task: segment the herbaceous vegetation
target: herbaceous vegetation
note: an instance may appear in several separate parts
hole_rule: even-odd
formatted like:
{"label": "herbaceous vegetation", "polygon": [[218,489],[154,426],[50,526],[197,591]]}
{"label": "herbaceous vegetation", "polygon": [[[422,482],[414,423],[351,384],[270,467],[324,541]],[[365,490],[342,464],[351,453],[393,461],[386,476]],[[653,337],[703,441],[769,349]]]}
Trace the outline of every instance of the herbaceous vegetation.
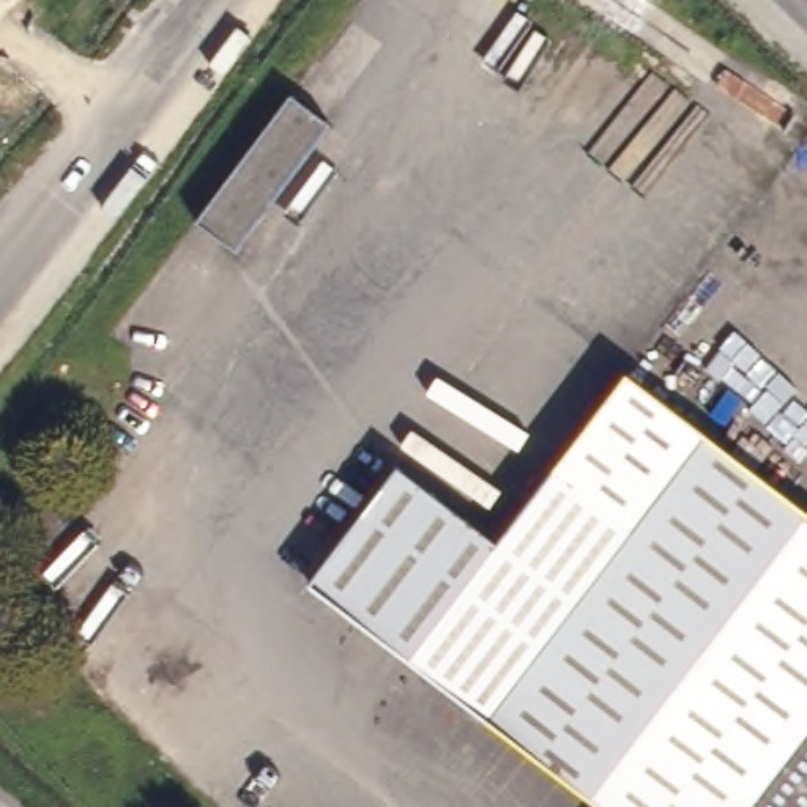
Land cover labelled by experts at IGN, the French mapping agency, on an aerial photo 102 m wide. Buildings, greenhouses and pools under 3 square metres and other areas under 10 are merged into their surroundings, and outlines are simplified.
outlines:
{"label": "herbaceous vegetation", "polygon": [[85,684],[82,671],[66,687],[60,687],[60,694],[38,703],[19,703],[0,694],[0,807],[205,807],[202,798],[186,785],[186,779],[173,769],[173,763],[167,763],[151,741],[139,734],[139,728],[113,703],[101,700]]}
{"label": "herbaceous vegetation", "polygon": [[523,6],[530,9],[523,19],[530,25],[542,22],[542,38],[574,35],[574,41],[580,44],[596,44],[602,54],[599,60],[608,60],[627,73],[634,73],[634,63],[637,57],[643,57],[646,41],[624,28],[615,28],[605,16],[593,13],[577,0],[523,0]]}
{"label": "herbaceous vegetation", "polygon": [[791,88],[804,76],[804,69],[791,63],[779,44],[763,41],[753,32],[753,25],[731,9],[728,0],[653,0],[671,19],[694,28],[700,38],[712,41],[734,60],[753,66],[766,79],[782,82],[785,88]]}
{"label": "herbaceous vegetation", "polygon": [[255,41],[240,54],[240,60],[224,76],[221,91],[202,107],[202,113],[180,136],[164,164],[151,173],[151,180],[139,189],[139,195],[126,205],[117,224],[95,246],[88,265],[73,277],[73,284],[57,296],[41,325],[0,369],[0,410],[22,378],[47,375],[79,385],[85,397],[95,397],[104,407],[104,416],[117,419],[120,410],[132,404],[136,372],[129,363],[132,344],[120,344],[113,328],[132,306],[132,299],[145,290],[145,284],[154,277],[154,271],[167,262],[173,246],[189,233],[192,224],[211,202],[211,195],[221,189],[221,183],[230,177],[230,170],[240,164],[240,158],[249,151],[249,145],[258,139],[258,132],[268,126],[268,120],[277,113],[277,107],[290,98],[290,85],[303,82],[309,66],[315,60],[325,60],[337,38],[350,28],[350,16],[359,6],[359,0],[281,0],[262,25],[262,32],[255,35]]}
{"label": "herbaceous vegetation", "polygon": [[38,32],[50,35],[66,50],[88,60],[107,57],[120,44],[123,28],[129,28],[129,16],[148,6],[151,0],[35,0],[44,6],[44,22],[38,25]]}
{"label": "herbaceous vegetation", "polygon": [[41,158],[44,145],[60,132],[60,113],[44,95],[38,95],[28,107],[9,110],[0,120],[0,199],[22,180],[22,173]]}

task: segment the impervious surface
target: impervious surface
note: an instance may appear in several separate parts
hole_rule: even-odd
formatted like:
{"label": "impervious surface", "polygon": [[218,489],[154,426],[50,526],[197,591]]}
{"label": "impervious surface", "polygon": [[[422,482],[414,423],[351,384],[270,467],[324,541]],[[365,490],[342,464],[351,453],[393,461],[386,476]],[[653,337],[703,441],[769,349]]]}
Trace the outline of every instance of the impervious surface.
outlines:
{"label": "impervious surface", "polygon": [[807,0],[728,0],[731,9],[753,25],[753,32],[763,41],[779,44],[791,63],[804,69],[804,76],[791,88],[785,88],[782,82],[766,79],[753,66],[734,60],[712,41],[700,38],[694,28],[671,19],[653,0],[577,0],[593,13],[605,16],[615,28],[624,28],[646,41],[643,57],[637,57],[634,63],[634,73],[627,73],[608,60],[599,60],[602,54],[596,44],[580,44],[574,41],[574,35],[542,38],[542,22],[530,25],[523,19],[530,9],[523,6],[523,0],[359,0],[359,6],[350,16],[350,28],[337,38],[325,60],[315,60],[309,66],[303,82],[290,85],[290,98],[312,117],[325,120],[328,129],[318,139],[318,151],[303,161],[290,186],[284,186],[284,192],[277,195],[277,208],[265,211],[252,224],[258,227],[258,262],[252,262],[249,268],[227,265],[221,258],[218,240],[211,240],[192,224],[189,233],[173,246],[167,262],[154,271],[154,277],[145,284],[145,290],[132,299],[132,306],[113,328],[120,344],[132,344],[129,363],[136,372],[132,404],[120,410],[117,419],[120,457],[113,489],[91,508],[88,517],[73,517],[69,523],[63,517],[47,517],[47,533],[35,542],[35,558],[47,567],[44,580],[54,589],[66,593],[73,618],[82,624],[82,671],[85,684],[101,700],[113,703],[139,728],[139,734],[151,741],[167,763],[173,763],[173,769],[186,779],[186,785],[202,798],[205,807],[589,807],[564,785],[549,782],[523,753],[492,738],[482,722],[476,722],[463,706],[457,706],[422,675],[388,656],[369,637],[344,624],[337,615],[325,612],[315,599],[309,599],[309,580],[337,549],[337,542],[350,533],[359,514],[369,508],[372,495],[391,479],[391,473],[404,473],[438,504],[457,514],[467,526],[498,542],[520,517],[520,511],[530,504],[530,498],[539,492],[539,485],[549,479],[549,473],[558,467],[558,460],[567,454],[567,448],[589,426],[589,419],[599,413],[599,407],[608,400],[608,394],[618,388],[618,381],[627,378],[807,514]]}
{"label": "impervious surface", "polygon": [[148,6],[129,16],[129,28],[123,28],[120,44],[107,57],[88,60],[66,50],[50,35],[38,32],[38,25],[44,22],[44,6],[35,0],[0,0],[0,120],[9,110],[28,107],[38,95],[44,95],[60,113],[60,132],[44,145],[41,158],[22,173],[22,180],[0,199],[0,369],[41,325],[57,296],[73,284],[73,277],[88,265],[95,246],[117,224],[126,205],[139,195],[139,189],[151,180],[151,173],[164,164],[180,136],[202,113],[202,107],[221,91],[224,76],[240,60],[240,54],[255,41],[255,35],[262,32],[262,25],[281,0],[151,0]]}

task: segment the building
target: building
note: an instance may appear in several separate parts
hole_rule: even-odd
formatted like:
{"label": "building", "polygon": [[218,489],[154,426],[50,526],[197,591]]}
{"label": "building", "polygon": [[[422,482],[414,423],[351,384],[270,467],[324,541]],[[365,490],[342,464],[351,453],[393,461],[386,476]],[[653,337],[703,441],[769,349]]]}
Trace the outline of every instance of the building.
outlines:
{"label": "building", "polygon": [[463,706],[476,722],[482,722],[492,738],[523,753],[549,782],[564,785],[589,807],[807,807],[807,514],[627,378],[618,381],[618,388],[608,394],[608,400],[599,407],[599,413],[589,419],[589,426],[567,448],[567,454],[558,460],[558,467],[549,473],[549,479],[539,485],[539,492],[530,498],[530,504],[520,511],[520,517],[498,542],[467,526],[457,514],[438,504],[404,473],[391,473],[391,479],[372,495],[369,508],[359,514],[350,533],[337,542],[337,549],[309,580],[309,599],[315,599],[325,612],[337,615],[344,624],[369,637],[388,656],[422,675],[457,706]]}
{"label": "building", "polygon": [[318,139],[328,129],[325,120],[312,117],[290,98],[277,107],[277,113],[268,120],[268,126],[258,132],[258,139],[249,145],[249,151],[240,158],[240,164],[230,170],[230,177],[221,183],[221,189],[211,195],[211,202],[192,224],[211,240],[218,240],[221,258],[227,265],[249,268],[252,262],[258,262],[258,227],[252,224],[265,211],[277,208],[277,195],[284,192],[284,186],[290,186],[303,161],[318,151]]}

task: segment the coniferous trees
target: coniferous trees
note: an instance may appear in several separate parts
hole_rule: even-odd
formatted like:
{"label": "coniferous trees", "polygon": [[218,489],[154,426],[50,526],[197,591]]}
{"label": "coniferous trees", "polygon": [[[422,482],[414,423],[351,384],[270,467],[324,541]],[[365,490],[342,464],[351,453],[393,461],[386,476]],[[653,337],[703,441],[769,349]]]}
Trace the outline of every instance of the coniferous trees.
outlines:
{"label": "coniferous trees", "polygon": [[73,618],[66,593],[54,589],[44,580],[47,567],[35,558],[35,542],[47,533],[47,517],[63,517],[69,523],[73,517],[88,517],[91,508],[113,489],[120,457],[117,419],[104,416],[104,407],[95,397],[85,397],[79,385],[47,375],[22,378],[0,410],[0,694],[19,703],[38,703],[60,694],[60,687],[66,687],[82,671],[82,624]]}

